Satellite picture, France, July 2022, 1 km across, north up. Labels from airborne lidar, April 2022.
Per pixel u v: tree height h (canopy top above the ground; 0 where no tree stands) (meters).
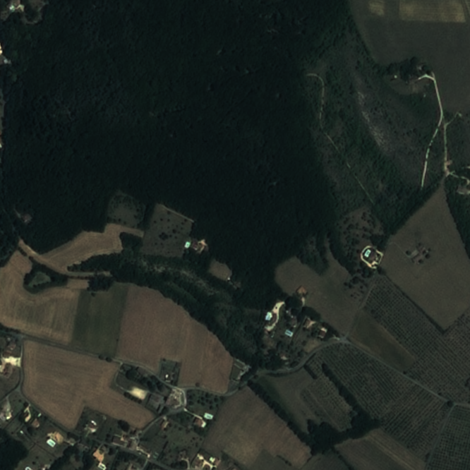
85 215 8
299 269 0
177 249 0
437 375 0
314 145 7
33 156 20
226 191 22
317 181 20
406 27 0
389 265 0
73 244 0
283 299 11
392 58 0
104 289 30
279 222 10
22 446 12
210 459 0
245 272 13
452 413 0
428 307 0
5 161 20
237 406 0
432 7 0
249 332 11
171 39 21
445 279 0
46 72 25
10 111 19
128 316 0
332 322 0
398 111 0
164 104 21
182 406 0
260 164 8
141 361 0
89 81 23
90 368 0
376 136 0
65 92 16
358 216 0
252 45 19
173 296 12
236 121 14
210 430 0
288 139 14
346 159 7
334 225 16
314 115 9
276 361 11
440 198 0
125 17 25
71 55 19
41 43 26
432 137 7
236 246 15
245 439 0
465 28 0
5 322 0
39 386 0
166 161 15
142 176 16
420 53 0
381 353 0
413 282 0
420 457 0
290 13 20
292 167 13
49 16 17
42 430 0
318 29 20
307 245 10
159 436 0
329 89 0
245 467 0
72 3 22
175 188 16
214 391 0
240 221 16
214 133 19
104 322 0
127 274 18
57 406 0
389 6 0
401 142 0
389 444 0
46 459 0
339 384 9
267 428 0
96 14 21
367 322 0
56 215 17
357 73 0
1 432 11
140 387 0
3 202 17
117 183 18
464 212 8
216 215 16
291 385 0
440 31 0
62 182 11
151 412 0
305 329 7
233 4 27
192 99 20
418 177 0
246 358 16
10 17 6
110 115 23
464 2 0
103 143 23
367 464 0
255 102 20
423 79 0
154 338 0
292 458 0
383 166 9
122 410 0
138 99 20
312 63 7
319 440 20
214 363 0
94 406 0
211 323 13
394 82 0
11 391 0
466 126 0
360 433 19
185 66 19
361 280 6
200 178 20
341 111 7
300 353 11
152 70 20
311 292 0
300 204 16
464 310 0
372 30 0
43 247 14
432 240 0
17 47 16
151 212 12
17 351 0
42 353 0
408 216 11
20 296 0
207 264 14
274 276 14
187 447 0
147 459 0
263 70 19
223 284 13
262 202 15
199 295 15
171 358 0
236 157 17
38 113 24
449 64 0
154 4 22
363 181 0
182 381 0
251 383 8
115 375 0
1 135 0
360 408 14
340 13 13
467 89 0
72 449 13
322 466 0
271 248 11
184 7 17
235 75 21
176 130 17
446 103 0
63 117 9
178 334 0
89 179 19
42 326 0
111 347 0
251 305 7
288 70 17
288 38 19
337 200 10
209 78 17
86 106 16
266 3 26
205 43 18
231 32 22
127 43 18
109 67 23
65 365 0
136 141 21
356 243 8
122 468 0
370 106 0
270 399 17
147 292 0
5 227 18
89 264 15
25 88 27
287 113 14
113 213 0
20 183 19
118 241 0
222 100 20
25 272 0
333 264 0
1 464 18
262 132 5
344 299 0
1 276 0
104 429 0
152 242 0
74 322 0
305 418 0
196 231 11
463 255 0
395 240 0
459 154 0
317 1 12
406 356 0
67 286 0
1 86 11
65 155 27
